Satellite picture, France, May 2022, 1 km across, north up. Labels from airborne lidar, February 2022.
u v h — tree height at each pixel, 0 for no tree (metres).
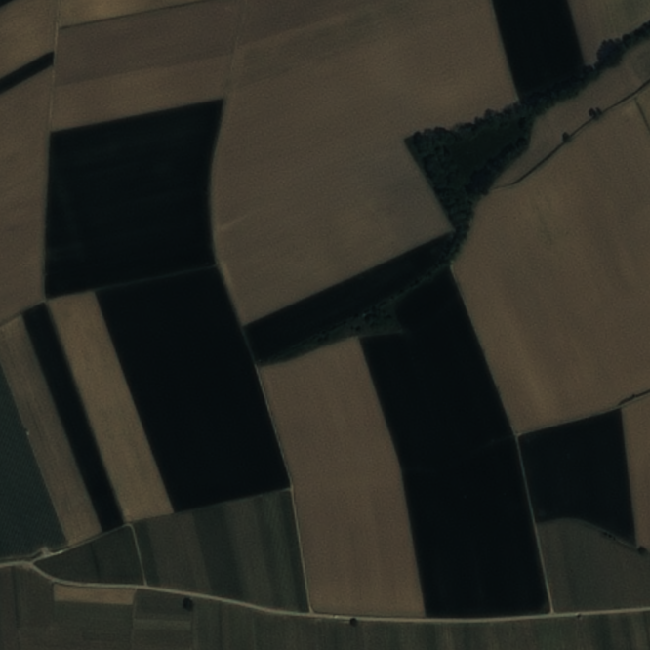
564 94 19
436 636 0
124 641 0
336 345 0
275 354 0
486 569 0
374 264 0
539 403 0
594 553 0
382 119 0
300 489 0
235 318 0
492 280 0
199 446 0
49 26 0
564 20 0
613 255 0
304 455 0
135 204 0
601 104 0
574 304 0
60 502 0
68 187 0
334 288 0
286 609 0
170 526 0
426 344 0
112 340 0
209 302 0
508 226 0
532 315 0
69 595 0
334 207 0
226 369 0
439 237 0
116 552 0
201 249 0
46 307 0
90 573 0
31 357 0
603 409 0
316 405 0
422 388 0
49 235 0
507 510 0
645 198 0
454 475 0
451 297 0
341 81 0
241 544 0
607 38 0
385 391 0
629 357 0
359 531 0
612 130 0
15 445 0
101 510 0
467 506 0
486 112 0
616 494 0
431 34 0
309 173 0
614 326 0
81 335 0
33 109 0
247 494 0
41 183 0
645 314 0
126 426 0
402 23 0
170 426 0
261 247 0
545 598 0
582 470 0
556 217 0
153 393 0
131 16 0
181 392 0
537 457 0
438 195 16
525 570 0
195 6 0
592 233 0
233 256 0
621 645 0
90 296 0
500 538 0
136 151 0
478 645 0
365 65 0
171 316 0
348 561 0
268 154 0
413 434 0
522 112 18
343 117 0
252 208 0
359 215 0
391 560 0
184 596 0
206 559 0
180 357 0
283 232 0
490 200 0
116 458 0
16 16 0
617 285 0
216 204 0
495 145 0
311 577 0
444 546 0
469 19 0
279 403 0
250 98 0
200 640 0
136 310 0
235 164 0
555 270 0
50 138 0
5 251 0
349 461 0
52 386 0
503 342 0
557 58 0
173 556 0
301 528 0
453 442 0
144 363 0
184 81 0
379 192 0
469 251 0
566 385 0
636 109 0
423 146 20
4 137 0
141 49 0
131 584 0
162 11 0
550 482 0
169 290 0
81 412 0
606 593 0
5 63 0
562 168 0
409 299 0
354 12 0
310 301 0
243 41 0
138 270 0
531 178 0
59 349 0
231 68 0
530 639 0
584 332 0
